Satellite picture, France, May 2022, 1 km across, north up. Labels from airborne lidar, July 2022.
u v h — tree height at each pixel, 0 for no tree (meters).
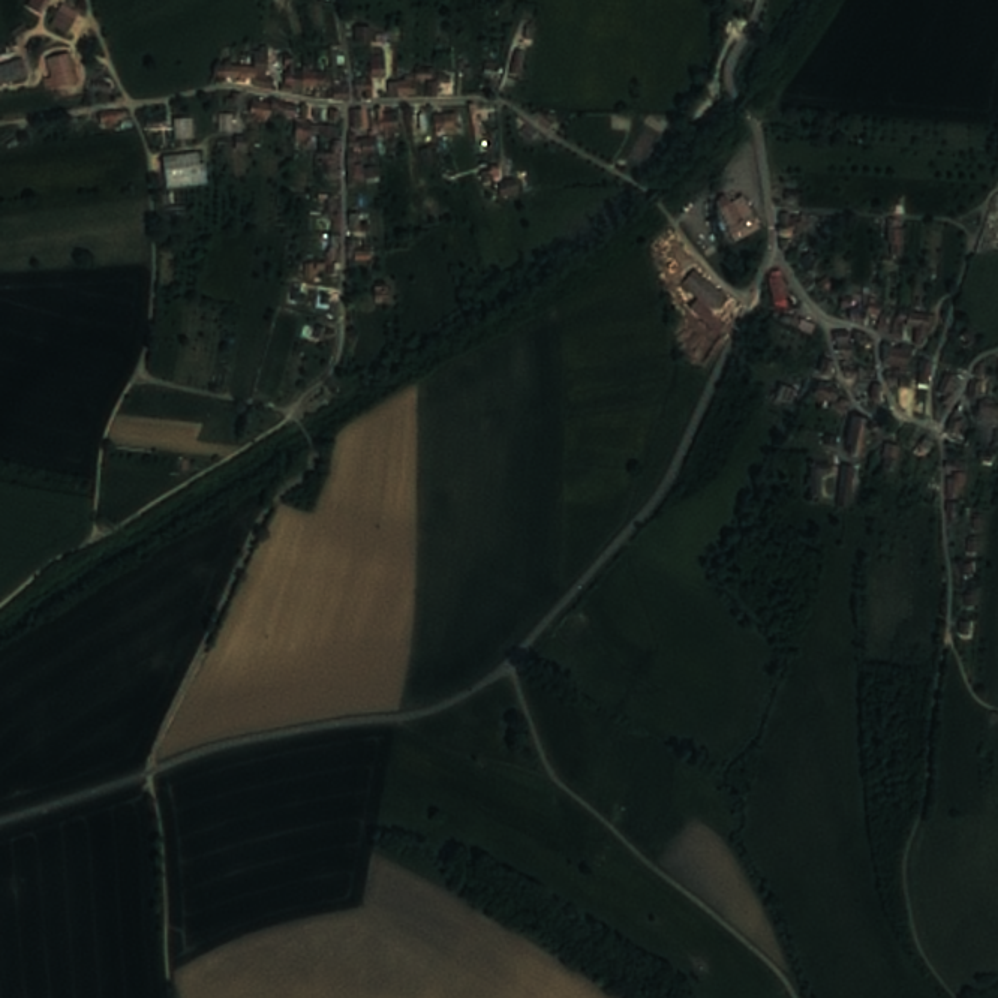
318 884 0
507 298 22
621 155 0
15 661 0
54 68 0
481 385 0
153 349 15
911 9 0
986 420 0
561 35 0
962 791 0
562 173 0
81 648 0
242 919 0
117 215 0
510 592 0
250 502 0
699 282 0
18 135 8
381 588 0
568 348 0
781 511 16
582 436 0
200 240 8
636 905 0
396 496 0
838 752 0
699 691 0
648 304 0
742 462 0
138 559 11
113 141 0
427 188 0
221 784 0
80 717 0
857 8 0
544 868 0
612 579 0
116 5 0
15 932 0
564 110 0
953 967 0
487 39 8
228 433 0
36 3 0
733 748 0
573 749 0
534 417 0
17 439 0
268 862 0
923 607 0
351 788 0
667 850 0
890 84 0
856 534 0
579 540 0
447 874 14
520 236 0
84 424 0
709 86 13
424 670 0
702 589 0
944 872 0
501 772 0
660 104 0
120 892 0
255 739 0
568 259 18
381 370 16
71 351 0
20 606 10
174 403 0
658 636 0
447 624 0
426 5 7
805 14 16
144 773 0
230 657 0
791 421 16
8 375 0
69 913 0
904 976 0
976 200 6
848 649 0
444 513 0
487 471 0
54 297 0
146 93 0
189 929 0
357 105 0
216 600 0
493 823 0
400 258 0
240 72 0
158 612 0
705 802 0
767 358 10
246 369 0
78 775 0
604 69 0
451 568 0
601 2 0
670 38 0
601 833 0
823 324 0
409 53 0
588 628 0
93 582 14
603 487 0
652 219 8
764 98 11
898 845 7
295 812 0
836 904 0
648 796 0
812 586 15
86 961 0
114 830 0
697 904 0
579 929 24
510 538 0
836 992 0
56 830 0
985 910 0
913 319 0
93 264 14
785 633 15
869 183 0
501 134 0
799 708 0
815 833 0
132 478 0
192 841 0
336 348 0
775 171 0
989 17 0
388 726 0
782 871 0
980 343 10
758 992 0
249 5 0
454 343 13
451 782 0
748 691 0
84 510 0
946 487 0
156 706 0
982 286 0
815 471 0
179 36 0
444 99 0
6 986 0
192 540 0
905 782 8
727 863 0
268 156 0
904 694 8
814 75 0
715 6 21
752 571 21
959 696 0
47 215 0
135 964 0
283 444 9
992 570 11
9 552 0
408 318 0
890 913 9
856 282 0
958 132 0
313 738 0
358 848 0
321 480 11
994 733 0
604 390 0
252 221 14
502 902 18
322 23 0
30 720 0
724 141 21
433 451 0
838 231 20
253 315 0
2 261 0
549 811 0
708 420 7
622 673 0
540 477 0
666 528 0
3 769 0
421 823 0
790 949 8
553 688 35
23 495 0
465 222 7
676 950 0
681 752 30
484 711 0
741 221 0
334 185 0
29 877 0
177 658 0
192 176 0
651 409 0
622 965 21
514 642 0
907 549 0
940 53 0
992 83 0
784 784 0
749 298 0
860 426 0
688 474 7
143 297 0
